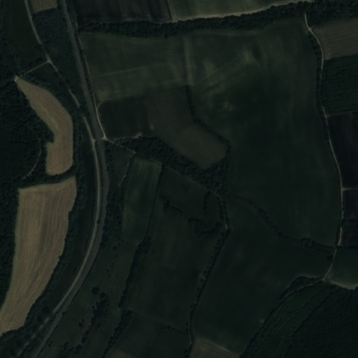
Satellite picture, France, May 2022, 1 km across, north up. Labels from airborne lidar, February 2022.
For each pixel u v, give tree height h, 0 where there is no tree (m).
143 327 0
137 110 0
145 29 17
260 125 0
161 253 0
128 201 0
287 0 0
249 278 0
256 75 0
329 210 0
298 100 0
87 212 0
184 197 0
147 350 0
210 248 0
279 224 0
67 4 7
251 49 0
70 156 0
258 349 6
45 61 0
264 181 0
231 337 0
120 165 0
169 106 0
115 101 0
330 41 0
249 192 0
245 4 0
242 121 0
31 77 21
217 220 0
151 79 0
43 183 0
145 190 0
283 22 0
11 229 16
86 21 0
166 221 0
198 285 0
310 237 0
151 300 0
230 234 10
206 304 0
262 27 10
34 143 12
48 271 0
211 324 0
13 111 8
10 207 27
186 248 0
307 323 15
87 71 6
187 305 0
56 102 0
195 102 0
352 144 0
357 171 0
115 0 0
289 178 0
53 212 0
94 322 10
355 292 13
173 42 0
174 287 0
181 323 0
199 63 0
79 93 8
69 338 0
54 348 0
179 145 0
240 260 0
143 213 0
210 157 0
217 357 0
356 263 0
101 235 0
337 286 9
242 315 0
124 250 0
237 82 0
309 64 0
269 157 0
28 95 0
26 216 0
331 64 7
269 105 0
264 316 0
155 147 13
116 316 0
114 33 11
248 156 0
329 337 16
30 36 0
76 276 0
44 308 0
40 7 0
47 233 0
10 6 0
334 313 16
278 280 0
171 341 0
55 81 0
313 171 0
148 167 0
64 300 0
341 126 0
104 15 0
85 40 0
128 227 0
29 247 0
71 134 0
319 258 0
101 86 0
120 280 0
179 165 19
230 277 0
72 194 0
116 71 0
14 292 0
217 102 0
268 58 0
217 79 0
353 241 0
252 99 0
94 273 0
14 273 0
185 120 0
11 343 0
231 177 0
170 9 0
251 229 0
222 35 0
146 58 0
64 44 16
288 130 0
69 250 15
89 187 0
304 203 0
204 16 0
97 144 6
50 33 22
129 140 7
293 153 0
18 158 12
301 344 15
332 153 7
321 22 8
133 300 0
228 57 0
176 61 0
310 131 0
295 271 0
